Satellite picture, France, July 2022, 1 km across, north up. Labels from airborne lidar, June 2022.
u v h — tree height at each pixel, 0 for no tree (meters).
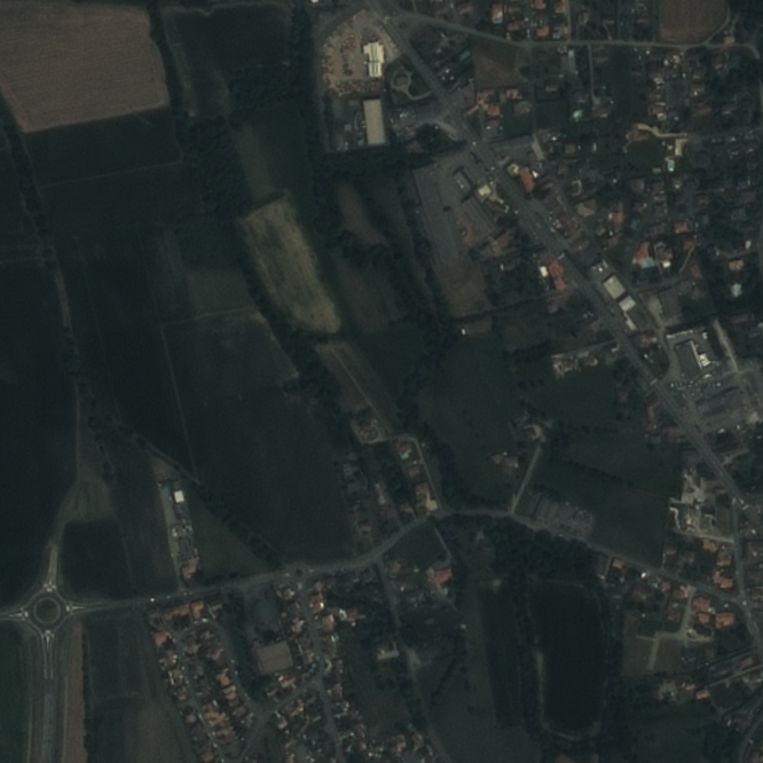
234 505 0
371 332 0
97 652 0
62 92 0
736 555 0
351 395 0
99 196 0
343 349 0
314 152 11
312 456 0
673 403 0
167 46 7
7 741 0
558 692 0
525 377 0
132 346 0
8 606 0
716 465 0
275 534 0
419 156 14
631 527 0
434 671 0
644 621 0
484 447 6
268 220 0
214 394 0
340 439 0
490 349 0
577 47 6
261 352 0
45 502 0
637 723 0
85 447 0
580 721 0
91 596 0
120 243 0
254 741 0
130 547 0
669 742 0
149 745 0
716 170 6
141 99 0
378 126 0
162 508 0
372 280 0
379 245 8
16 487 0
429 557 0
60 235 0
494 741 0
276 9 0
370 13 0
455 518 14
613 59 0
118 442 0
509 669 0
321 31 0
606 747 24
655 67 6
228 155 12
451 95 0
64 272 0
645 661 0
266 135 0
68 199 0
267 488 0
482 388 0
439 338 12
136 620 0
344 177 17
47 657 0
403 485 10
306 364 8
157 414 0
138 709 0
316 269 0
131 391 0
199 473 0
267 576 0
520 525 8
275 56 0
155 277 0
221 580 10
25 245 0
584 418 0
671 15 0
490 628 0
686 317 8
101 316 0
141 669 0
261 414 0
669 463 0
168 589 0
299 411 0
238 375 0
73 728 0
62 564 0
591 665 0
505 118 0
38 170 0
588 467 8
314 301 0
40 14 0
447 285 0
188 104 0
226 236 11
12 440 0
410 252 0
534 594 0
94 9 0
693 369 0
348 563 0
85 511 0
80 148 0
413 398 14
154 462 0
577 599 0
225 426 0
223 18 0
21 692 0
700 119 0
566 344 0
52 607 0
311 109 15
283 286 0
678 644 0
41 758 0
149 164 0
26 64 0
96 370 0
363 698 0
